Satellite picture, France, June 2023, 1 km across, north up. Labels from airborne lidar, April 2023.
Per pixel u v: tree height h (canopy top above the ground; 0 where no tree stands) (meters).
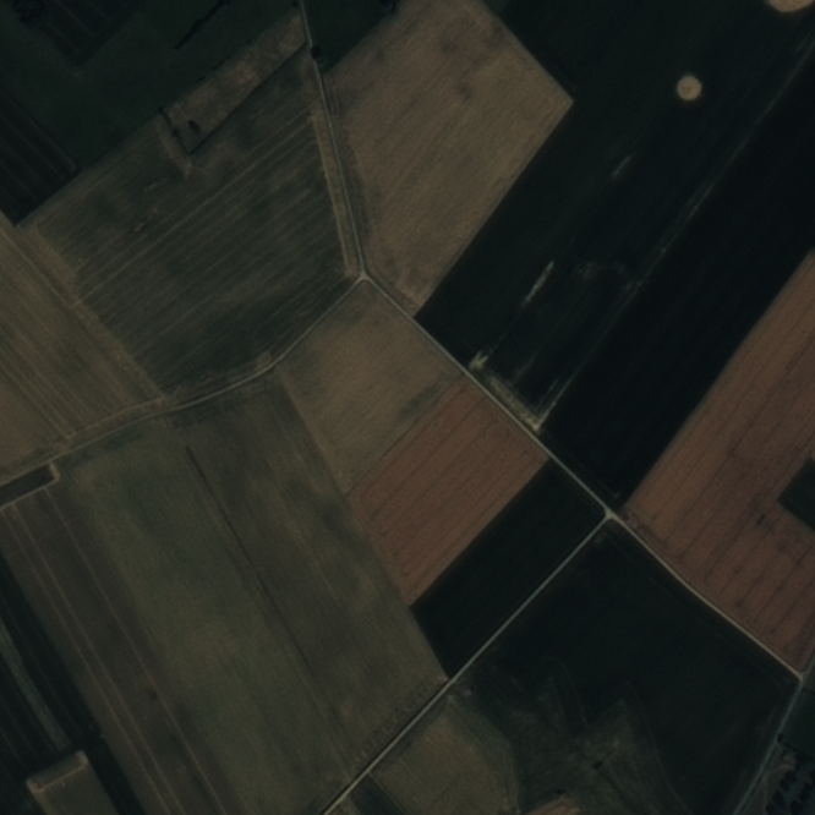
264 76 0
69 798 0
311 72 0
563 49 0
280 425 0
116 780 0
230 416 0
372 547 0
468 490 0
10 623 0
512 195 0
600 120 0
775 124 0
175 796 0
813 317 0
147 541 0
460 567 0
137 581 0
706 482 0
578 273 0
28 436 0
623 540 0
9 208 0
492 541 0
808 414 0
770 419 0
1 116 0
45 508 0
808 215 0
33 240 0
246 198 0
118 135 0
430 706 0
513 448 0
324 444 0
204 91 0
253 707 0
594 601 0
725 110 0
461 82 0
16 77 0
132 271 0
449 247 0
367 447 0
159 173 0
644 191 0
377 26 0
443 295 0
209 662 0
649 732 0
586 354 0
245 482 0
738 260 0
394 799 0
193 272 0
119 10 0
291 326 0
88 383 0
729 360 0
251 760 0
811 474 0
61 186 0
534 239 0
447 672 0
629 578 0
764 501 0
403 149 0
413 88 0
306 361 0
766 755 0
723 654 0
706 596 0
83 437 0
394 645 0
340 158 0
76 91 0
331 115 0
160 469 0
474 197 0
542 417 0
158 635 0
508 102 0
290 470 0
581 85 0
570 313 0
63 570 0
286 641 0
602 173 0
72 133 0
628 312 0
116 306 0
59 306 0
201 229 0
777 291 0
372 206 0
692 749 0
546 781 0
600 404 0
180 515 0
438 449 0
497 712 0
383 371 0
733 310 0
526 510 0
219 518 0
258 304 0
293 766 0
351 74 0
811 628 0
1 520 0
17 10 11
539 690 0
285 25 0
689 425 0
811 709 0
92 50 0
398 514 0
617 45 0
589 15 0
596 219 0
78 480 0
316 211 0
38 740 0
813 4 0
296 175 0
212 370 0
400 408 0
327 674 0
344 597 0
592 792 0
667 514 0
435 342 0
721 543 0
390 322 0
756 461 0
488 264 0
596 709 0
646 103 0
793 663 0
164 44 0
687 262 0
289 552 0
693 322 0
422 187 0
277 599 0
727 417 0
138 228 0
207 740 0
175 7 0
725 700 0
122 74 0
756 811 0
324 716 0
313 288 0
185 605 0
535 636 0
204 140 0
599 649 0
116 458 0
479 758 0
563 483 0
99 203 0
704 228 0
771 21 0
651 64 0
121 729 0
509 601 0
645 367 0
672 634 0
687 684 0
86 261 0
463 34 0
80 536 0
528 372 0
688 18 0
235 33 0
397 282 0
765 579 0
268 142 0
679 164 0
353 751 0
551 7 0
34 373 0
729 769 0
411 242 0
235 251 0
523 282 0
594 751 0
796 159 0
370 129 0
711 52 0
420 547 0
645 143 0
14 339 0
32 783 0
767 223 0
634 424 0
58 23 0
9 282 0
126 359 0
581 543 0
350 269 0
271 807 0
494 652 0
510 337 0
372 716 0
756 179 0
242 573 0
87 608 0
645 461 0
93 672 0
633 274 0
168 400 0
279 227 0
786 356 0
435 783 0
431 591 0
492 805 0
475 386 0
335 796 0
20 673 0
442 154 0
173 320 0
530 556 0
